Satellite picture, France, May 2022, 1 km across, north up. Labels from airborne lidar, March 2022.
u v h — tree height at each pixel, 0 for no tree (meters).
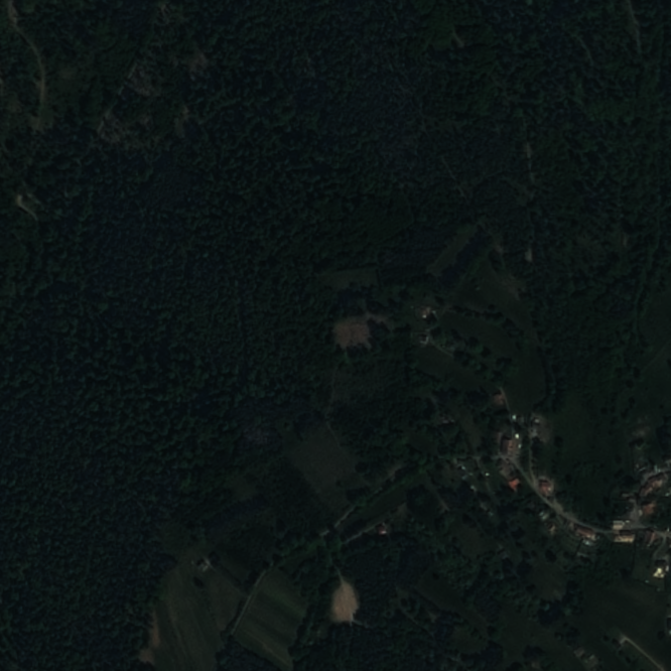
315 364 14
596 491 0
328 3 18
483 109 12
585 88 39
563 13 37
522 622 0
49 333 29
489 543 0
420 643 29
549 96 34
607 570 7
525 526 0
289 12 29
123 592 27
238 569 0
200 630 0
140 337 35
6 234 20
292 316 17
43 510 30
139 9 29
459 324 0
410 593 20
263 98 32
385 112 27
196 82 31
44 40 10
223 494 12
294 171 34
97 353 37
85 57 8
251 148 29
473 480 0
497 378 16
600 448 0
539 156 8
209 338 18
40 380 32
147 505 27
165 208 15
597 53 32
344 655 16
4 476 21
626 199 18
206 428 33
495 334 0
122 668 26
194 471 9
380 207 21
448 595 0
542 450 18
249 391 27
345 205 24
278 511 6
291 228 27
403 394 8
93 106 27
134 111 14
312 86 25
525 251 9
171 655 0
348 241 10
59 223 37
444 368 0
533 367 0
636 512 0
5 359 32
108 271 26
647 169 23
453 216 9
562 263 9
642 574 0
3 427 31
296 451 0
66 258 31
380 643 16
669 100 28
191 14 15
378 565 14
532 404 0
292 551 15
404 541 16
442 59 37
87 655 26
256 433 28
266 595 0
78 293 34
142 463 26
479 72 17
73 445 28
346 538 15
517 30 16
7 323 29
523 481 15
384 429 24
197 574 0
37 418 23
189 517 14
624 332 28
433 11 19
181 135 0
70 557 27
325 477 0
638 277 19
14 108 0
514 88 12
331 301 7
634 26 0
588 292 32
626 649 0
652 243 24
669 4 29
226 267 26
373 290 7
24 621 34
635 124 20
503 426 0
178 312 26
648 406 0
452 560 13
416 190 7
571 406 0
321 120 36
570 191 8
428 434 19
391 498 0
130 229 26
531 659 24
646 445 6
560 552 0
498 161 16
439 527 13
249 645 0
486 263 0
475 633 13
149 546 28
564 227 7
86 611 25
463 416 0
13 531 27
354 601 0
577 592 21
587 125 40
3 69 13
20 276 14
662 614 0
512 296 0
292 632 0
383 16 25
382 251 12
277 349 16
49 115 0
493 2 42
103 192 32
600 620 0
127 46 8
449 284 29
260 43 31
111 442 30
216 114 29
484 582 13
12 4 0
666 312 0
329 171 35
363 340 0
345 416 8
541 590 0
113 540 26
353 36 20
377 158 26
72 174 34
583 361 15
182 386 30
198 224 21
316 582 14
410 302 7
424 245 20
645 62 11
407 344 10
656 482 0
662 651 0
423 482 0
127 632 29
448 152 12
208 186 34
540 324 15
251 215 30
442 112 9
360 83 24
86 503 26
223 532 22
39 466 19
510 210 14
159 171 23
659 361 0
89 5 33
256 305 20
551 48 37
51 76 14
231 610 0
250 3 29
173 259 22
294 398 27
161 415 34
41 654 29
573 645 9
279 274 27
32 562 22
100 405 33
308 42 25
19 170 12
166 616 0
